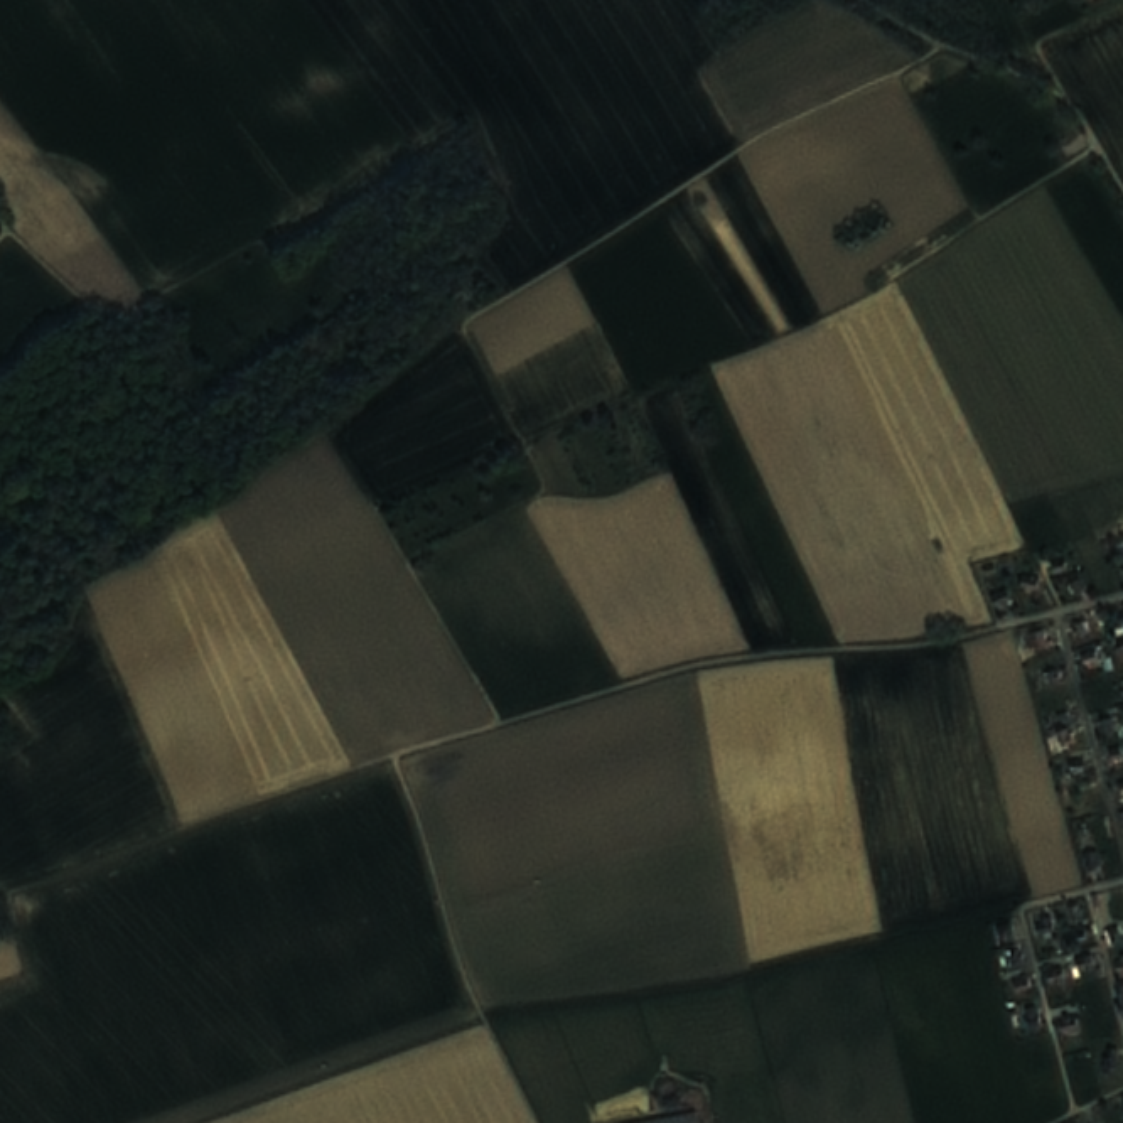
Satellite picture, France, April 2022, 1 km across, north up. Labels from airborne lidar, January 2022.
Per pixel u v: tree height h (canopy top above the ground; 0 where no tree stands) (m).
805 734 0
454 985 0
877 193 0
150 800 0
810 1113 0
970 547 0
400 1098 0
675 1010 0
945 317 0
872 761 0
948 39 23
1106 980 0
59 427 22
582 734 0
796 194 0
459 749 0
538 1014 0
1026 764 0
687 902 0
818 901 0
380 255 18
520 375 0
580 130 0
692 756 0
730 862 0
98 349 28
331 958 0
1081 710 0
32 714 0
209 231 0
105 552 28
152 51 0
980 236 0
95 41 0
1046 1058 0
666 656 0
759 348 0
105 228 0
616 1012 0
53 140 0
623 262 0
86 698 0
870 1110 0
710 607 0
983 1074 0
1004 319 0
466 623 0
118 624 0
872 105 0
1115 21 0
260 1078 0
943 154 0
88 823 0
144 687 0
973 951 0
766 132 0
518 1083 0
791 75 0
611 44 0
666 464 9
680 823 0
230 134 0
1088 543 0
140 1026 0
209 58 0
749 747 0
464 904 0
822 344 0
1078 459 0
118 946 0
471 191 29
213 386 6
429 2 0
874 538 0
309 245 19
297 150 0
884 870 0
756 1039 0
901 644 0
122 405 26
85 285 0
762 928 0
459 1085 0
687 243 0
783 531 0
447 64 0
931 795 0
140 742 0
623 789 0
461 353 0
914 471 0
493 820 0
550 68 0
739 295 0
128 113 0
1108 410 0
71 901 0
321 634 0
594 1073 0
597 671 0
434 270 27
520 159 0
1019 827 0
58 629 27
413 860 0
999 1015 0
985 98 0
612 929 0
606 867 0
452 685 0
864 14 15
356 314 10
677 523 0
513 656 0
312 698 0
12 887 0
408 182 30
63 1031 0
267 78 0
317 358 22
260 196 0
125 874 0
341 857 0
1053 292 0
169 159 0
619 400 0
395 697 0
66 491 29
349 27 0
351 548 0
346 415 18
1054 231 0
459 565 0
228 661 0
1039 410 0
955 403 0
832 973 0
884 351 0
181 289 0
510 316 0
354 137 0
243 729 0
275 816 0
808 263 0
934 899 0
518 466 17
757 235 0
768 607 0
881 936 0
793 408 0
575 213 0
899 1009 0
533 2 0
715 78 0
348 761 0
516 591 0
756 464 0
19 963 0
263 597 0
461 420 0
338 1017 0
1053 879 0
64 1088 0
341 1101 0
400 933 0
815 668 0
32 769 0
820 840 0
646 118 0
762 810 0
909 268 0
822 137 0
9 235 0
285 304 0
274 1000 0
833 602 0
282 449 19
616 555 0
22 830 0
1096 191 0
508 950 0
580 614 0
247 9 0
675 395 0
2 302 0
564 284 0
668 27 0
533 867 0
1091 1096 0
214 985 0
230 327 0
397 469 0
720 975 0
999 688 0
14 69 0
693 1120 0
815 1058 0
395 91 0
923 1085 0
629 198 0
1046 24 0
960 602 0
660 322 0
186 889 0
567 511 0
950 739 0
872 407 0
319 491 0
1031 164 0
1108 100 0
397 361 16
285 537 0
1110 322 0
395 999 0
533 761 0
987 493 0
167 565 0
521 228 0
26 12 0
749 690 0
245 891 0
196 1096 0
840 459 0
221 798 0
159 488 28
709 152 0
